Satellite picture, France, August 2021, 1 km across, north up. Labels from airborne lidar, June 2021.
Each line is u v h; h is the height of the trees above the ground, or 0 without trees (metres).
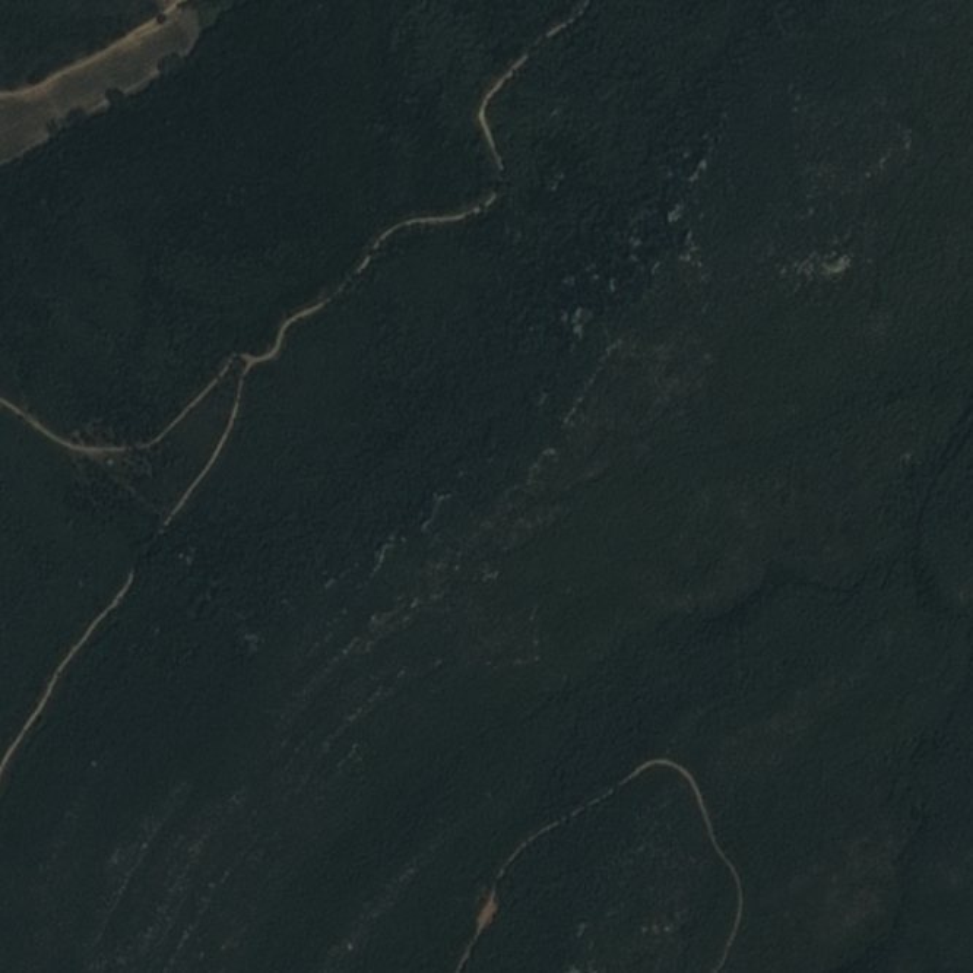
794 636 6
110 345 7
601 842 6
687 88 7
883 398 6
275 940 6
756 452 6
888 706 6
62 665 0
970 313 9
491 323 6
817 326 5
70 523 7
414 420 7
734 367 6
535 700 7
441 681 6
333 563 5
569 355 7
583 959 7
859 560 0
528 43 7
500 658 6
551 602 6
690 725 0
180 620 7
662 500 5
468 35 8
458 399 10
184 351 6
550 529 8
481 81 8
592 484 6
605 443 6
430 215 0
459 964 7
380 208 5
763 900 0
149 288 5
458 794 7
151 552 7
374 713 6
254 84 7
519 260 5
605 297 7
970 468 10
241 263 9
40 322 6
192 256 7
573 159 5
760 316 6
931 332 7
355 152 7
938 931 0
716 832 6
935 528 6
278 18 10
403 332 6
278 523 7
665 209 9
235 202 6
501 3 7
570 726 6
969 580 0
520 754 6
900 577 7
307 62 6
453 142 6
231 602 7
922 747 10
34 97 0
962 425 7
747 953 6
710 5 7
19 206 7
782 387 6
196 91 6
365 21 8
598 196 7
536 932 7
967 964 0
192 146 5
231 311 7
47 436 0
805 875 0
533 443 6
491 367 8
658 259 6
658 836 6
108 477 9
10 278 6
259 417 7
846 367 6
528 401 6
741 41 8
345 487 7
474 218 6
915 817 7
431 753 6
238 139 6
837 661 6
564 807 6
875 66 6
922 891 0
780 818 6
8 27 6
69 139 7
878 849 0
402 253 6
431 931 6
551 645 6
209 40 10
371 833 7
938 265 8
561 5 7
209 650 6
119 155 5
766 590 8
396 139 6
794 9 6
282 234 6
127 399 6
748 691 5
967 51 6
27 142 0
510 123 9
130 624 7
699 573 5
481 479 6
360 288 7
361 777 8
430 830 5
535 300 7
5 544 5
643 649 6
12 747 0
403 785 6
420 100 8
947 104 7
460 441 5
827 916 0
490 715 8
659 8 6
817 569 0
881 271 7
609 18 9
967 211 8
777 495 6
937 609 7
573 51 6
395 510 7
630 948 5
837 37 5
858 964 6
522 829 7
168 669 9
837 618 6
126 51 0
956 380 7
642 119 7
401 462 7
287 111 6
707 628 8
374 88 6
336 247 5
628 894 6
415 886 6
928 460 7
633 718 6
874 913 0
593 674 6
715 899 6
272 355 0
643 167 8
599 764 6
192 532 7
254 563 6
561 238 6
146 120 7
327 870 5
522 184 9
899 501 9
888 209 6
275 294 8
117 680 6
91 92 0
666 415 6
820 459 5
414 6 9
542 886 6
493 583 5
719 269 5
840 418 6
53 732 5
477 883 7
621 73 7
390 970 5
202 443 0
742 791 6
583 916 6
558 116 8
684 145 9
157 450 8
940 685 6
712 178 6
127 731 6
